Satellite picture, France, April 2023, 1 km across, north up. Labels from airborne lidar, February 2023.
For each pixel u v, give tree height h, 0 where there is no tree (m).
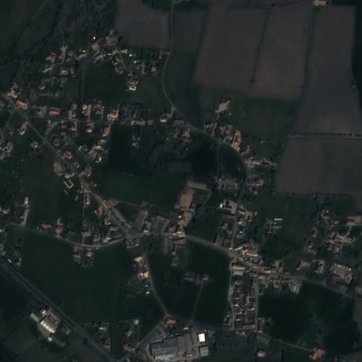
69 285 0
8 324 0
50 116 0
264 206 0
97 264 0
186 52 0
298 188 0
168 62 0
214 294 0
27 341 0
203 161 0
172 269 0
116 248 0
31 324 0
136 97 0
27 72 0
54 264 0
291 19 0
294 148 0
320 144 0
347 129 0
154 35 0
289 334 0
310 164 0
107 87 0
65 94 0
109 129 0
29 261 0
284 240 0
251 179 0
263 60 0
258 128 0
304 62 0
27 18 0
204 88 0
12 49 0
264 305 0
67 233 6
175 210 7
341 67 0
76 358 13
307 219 12
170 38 0
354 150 0
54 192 0
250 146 0
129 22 0
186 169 26
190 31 0
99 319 0
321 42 0
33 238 0
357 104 0
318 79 0
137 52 0
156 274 0
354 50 0
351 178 0
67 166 11
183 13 0
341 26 0
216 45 0
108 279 0
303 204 0
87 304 0
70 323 0
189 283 0
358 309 0
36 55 0
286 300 0
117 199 0
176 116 0
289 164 0
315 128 0
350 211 0
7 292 0
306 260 0
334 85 0
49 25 0
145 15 0
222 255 0
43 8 0
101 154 0
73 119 0
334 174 0
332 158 0
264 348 0
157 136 0
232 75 0
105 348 0
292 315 0
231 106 0
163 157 0
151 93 0
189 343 0
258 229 14
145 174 0
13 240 0
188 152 0
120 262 0
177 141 0
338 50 0
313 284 0
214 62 0
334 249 0
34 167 0
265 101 0
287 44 0
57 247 0
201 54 0
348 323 0
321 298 0
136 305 0
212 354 0
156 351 0
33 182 0
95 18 17
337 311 0
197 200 0
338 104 0
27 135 0
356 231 0
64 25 31
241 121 0
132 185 0
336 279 0
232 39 0
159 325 0
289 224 0
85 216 8
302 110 0
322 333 12
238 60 0
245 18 0
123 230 0
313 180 0
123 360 0
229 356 0
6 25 0
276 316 0
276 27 0
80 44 0
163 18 0
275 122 0
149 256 0
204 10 0
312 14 0
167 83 0
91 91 0
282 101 0
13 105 0
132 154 13
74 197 0
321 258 0
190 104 0
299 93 0
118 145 0
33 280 0
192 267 0
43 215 0
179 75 0
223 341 0
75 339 0
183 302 0
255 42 0
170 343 0
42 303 8
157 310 0
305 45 0
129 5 0
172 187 0
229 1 0
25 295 0
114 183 0
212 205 0
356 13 0
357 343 16
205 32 0
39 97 0
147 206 0
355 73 0
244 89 0
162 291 0
